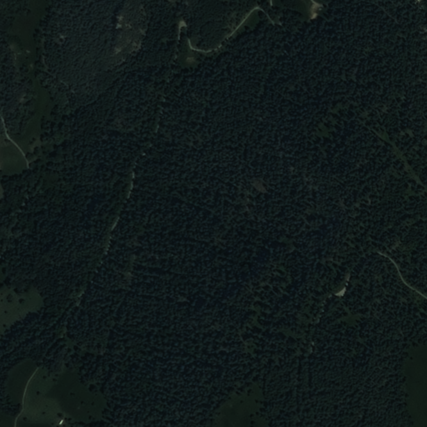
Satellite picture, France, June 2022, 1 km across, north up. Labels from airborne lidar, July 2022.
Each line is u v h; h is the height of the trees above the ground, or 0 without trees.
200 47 18
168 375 19
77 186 11
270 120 18
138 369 35
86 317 28
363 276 9
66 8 12
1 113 18
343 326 8
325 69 29
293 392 19
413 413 0
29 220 20
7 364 12
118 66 16
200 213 32
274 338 34
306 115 19
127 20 8
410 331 16
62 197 9
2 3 11
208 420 23
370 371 18
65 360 20
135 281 13
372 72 24
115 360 25
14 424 0
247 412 0
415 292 8
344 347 7
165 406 16
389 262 16
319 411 18
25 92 13
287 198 24
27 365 0
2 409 16
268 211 26
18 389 0
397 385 18
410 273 9
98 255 10
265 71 14
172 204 11
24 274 20
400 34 11
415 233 16
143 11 11
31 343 22
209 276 25
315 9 0
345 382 16
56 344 14
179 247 25
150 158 11
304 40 25
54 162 16
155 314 17
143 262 27
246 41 18
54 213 28
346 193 23
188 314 8
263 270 16
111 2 12
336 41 31
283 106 30
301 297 23
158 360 29
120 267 20
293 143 12
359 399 14
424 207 18
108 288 19
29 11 18
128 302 16
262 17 26
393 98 18
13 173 0
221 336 26
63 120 15
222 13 15
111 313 16
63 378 0
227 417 0
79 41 10
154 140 16
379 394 16
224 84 21
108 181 26
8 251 6
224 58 23
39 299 0
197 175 19
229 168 16
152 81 27
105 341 21
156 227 14
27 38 0
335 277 7
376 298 24
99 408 0
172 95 11
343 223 21
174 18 25
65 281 25
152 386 16
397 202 19
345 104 32
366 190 11
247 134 22
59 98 19
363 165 8
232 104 22
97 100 21
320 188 15
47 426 0
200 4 23
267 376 25
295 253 11
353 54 20
